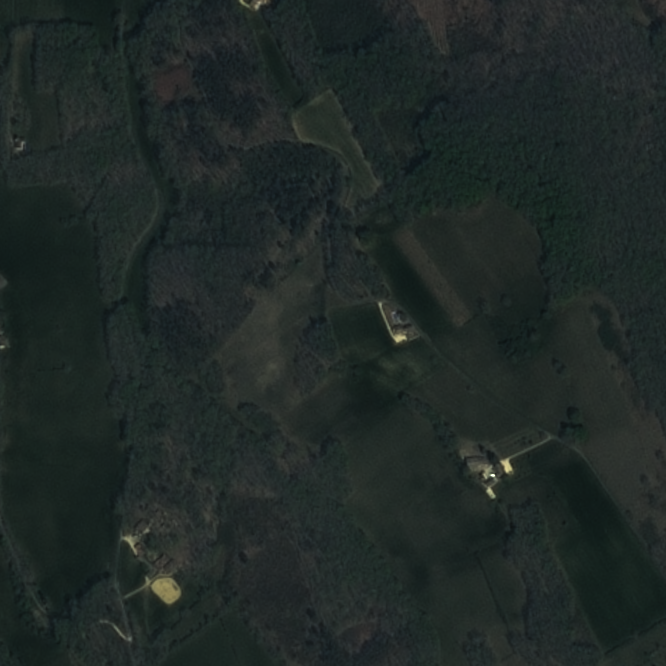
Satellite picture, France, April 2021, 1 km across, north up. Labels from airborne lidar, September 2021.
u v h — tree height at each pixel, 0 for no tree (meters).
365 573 24
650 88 20
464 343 0
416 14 16
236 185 23
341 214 15
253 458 21
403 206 16
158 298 17
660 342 23
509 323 0
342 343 0
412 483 0
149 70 21
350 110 16
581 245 22
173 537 15
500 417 0
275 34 17
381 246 0
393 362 0
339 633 13
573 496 0
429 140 21
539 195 22
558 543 0
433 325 0
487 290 0
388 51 23
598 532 0
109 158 19
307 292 0
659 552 17
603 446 0
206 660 0
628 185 21
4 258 0
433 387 0
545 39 19
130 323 19
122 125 23
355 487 11
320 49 17
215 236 16
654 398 17
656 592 0
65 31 15
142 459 24
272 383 0
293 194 18
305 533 18
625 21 24
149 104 24
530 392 0
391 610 16
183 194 26
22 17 0
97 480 0
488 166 20
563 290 19
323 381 19
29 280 0
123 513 18
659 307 21
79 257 0
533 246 0
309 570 18
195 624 0
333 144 0
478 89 12
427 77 18
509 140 22
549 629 22
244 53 21
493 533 0
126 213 25
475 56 14
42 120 0
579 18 23
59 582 0
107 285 20
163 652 17
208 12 24
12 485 0
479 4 7
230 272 25
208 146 18
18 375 0
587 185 22
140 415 24
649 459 0
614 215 21
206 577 10
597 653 21
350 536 22
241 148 12
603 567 0
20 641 0
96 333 0
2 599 0
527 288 0
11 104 17
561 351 0
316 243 0
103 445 0
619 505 0
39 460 0
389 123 8
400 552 0
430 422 11
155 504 18
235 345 0
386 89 23
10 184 17
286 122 17
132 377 19
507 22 17
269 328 0
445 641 0
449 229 0
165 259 23
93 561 0
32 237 0
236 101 21
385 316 0
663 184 23
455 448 18
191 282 21
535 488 0
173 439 19
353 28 11
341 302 0
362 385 0
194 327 16
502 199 20
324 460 15
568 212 23
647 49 25
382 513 0
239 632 0
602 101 23
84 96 18
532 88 19
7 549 14
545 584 16
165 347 19
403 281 0
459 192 22
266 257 10
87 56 23
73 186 15
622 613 0
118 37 12
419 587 0
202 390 14
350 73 20
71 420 0
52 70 19
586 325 0
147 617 0
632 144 20
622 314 13
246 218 10
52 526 0
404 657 21
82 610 19
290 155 13
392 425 0
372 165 14
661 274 21
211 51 15
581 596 0
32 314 0
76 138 11
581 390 0
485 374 0
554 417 0
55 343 0
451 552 0
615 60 20
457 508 0
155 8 22
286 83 0
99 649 16
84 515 0
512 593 0
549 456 0
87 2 0
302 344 12
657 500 15
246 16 13
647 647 0
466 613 0
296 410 0
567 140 19
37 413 0
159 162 17
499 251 0
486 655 20
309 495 25
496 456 8
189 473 18
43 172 14
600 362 0
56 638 16
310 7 8
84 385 0
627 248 21
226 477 20
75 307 0
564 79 19
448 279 0
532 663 18
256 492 22
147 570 9
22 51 0
